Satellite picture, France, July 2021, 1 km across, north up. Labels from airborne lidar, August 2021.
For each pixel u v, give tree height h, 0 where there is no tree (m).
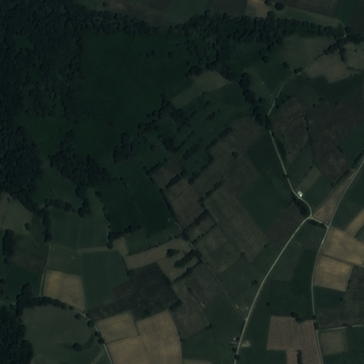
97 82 0
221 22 11
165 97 9
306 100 0
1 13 20
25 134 9
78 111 17
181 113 12
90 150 0
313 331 0
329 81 0
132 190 0
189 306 0
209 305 0
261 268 0
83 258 0
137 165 0
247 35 19
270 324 0
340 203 0
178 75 0
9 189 24
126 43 0
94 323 13
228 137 0
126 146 16
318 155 0
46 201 12
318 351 0
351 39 15
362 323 0
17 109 17
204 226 0
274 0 0
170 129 0
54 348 0
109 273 0
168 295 0
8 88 21
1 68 20
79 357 0
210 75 0
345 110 0
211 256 0
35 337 0
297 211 0
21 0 28
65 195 0
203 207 7
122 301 0
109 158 0
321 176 0
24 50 13
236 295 0
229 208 0
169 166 0
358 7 0
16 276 0
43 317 0
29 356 15
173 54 11
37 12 18
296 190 0
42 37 22
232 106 0
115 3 0
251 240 0
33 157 18
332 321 0
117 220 0
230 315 0
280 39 19
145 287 0
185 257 7
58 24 24
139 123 0
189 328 0
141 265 0
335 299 0
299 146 0
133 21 20
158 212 0
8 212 0
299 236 0
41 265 0
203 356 0
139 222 0
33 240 0
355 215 0
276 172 0
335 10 0
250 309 0
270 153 0
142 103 0
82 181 13
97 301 0
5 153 25
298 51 0
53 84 21
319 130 0
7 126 17
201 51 18
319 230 0
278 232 0
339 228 0
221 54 23
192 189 0
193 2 0
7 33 15
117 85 0
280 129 0
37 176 23
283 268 0
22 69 13
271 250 0
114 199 0
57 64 23
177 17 0
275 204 0
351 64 0
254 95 21
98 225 0
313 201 0
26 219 0
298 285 0
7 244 22
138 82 0
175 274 0
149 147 0
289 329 0
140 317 0
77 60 20
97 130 0
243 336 0
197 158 0
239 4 0
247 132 0
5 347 17
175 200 0
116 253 0
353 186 0
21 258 0
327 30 17
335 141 0
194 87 0
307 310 0
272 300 0
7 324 31
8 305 0
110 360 0
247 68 0
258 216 0
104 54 0
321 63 0
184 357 0
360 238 0
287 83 0
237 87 0
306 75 0
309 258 0
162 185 0
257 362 0
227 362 0
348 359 0
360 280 0
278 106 12
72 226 0
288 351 0
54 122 0
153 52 12
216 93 0
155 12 0
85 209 13
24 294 19
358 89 0
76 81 24
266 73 0
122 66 0
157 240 0
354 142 0
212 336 0
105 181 16
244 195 0
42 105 16
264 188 0
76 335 0
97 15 17
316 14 0
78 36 14
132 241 0
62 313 0
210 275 0
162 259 0
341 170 0
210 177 0
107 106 0
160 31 16
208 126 0
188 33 10
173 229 0
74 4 13
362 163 0
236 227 0
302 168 0
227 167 0
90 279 0
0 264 0
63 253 0
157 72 0
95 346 0
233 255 0
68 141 12
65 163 17
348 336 0
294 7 0
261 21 15
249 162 0
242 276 0
